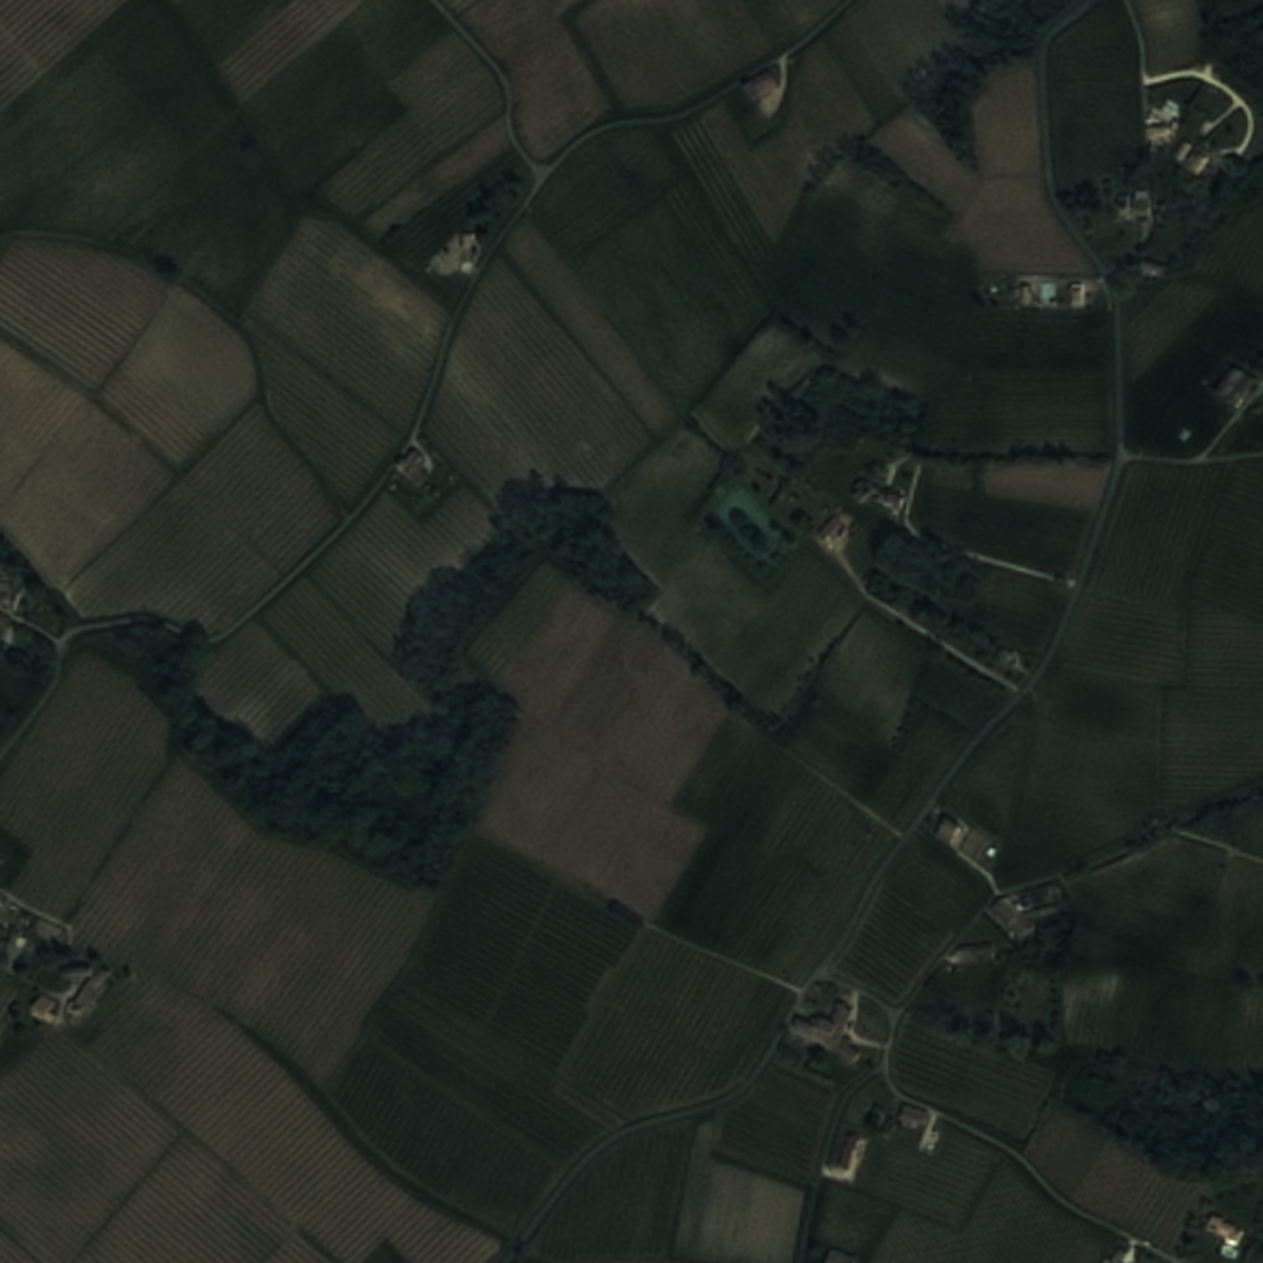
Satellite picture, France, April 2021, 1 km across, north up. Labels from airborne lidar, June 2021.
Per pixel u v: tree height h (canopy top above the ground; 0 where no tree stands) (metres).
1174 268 8
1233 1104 15
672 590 0
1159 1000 0
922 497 0
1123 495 0
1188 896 0
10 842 0
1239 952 0
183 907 0
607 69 0
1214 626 0
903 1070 0
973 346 0
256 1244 0
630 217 0
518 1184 0
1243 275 0
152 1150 0
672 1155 0
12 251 0
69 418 0
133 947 0
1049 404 0
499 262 0
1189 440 0
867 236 0
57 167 0
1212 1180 16
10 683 0
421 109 0
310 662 0
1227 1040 0
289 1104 0
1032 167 0
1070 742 0
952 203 0
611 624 0
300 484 0
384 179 0
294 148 0
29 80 0
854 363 0
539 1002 0
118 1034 0
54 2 0
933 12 0
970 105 10
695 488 0
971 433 0
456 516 0
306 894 0
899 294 0
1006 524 0
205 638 17
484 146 0
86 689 0
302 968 0
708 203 0
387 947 0
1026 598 0
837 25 0
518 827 0
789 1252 0
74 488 0
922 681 0
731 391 0
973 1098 0
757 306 0
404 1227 0
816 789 0
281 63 0
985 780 0
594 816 0
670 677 0
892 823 0
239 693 0
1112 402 0
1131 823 0
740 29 0
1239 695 0
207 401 0
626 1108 0
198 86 0
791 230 0
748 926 0
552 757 0
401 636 0
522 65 0
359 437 0
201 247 0
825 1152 0
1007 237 0
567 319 0
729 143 0
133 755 0
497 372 0
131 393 0
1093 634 0
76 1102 0
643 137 0
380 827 8
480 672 0
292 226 0
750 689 0
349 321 0
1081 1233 0
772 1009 0
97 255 0
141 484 0
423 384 0
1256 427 0
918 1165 0
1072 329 0
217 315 0
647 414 0
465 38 0
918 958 0
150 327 0
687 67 0
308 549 0
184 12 0
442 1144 0
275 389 0
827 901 0
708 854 0
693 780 0
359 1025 0
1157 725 0
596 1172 0
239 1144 0
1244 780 0
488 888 0
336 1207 0
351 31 0
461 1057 0
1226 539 0
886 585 8
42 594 16
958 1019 12
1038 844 0
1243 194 8
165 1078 0
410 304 0
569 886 0
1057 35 0
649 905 0
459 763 19
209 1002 0
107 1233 0
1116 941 0
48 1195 0
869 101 0
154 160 0
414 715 0
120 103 0
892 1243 0
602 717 0
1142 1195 0
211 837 0
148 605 0
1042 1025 0
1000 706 0
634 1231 0
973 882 0
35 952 0
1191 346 0
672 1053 0
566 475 0
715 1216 0
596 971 0
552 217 0
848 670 0
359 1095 0
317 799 12
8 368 0
